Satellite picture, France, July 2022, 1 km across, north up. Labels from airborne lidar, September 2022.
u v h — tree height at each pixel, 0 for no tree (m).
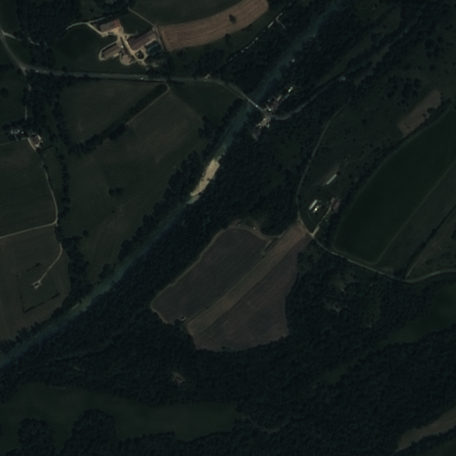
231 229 0
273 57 20
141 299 12
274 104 0
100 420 19
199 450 16
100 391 17
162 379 7
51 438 11
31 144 0
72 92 0
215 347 0
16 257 0
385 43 19
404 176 0
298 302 20
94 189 0
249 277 0
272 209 11
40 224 0
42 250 0
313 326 19
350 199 17
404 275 9
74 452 10
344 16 16
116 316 14
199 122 0
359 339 19
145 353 21
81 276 11
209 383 20
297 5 7
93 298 0
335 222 20
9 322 0
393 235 0
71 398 0
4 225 0
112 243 0
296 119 10
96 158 0
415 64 0
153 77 20
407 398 17
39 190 0
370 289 13
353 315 21
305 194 0
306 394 20
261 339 0
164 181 0
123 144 0
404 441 0
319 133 7
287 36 23
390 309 10
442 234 0
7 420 0
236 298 0
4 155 0
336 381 0
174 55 0
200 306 0
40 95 27
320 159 0
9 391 13
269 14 0
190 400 15
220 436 7
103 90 0
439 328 0
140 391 20
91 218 0
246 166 19
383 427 15
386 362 20
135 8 0
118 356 17
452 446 0
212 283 0
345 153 0
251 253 0
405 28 19
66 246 23
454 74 0
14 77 0
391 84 7
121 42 0
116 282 0
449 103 11
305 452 23
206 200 19
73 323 16
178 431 0
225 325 0
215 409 0
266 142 16
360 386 19
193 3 0
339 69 0
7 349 31
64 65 0
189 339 17
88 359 15
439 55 13
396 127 0
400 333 0
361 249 0
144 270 22
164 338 16
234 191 21
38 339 0
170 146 0
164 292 0
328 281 10
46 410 0
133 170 0
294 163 0
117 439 8
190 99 0
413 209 0
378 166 6
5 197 0
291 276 0
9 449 0
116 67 0
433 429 0
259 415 8
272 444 18
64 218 13
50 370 15
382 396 18
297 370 21
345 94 22
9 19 0
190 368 18
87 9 0
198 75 8
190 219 19
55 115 18
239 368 21
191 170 22
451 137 0
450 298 0
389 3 7
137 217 0
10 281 0
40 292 0
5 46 0
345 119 0
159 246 20
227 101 0
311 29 0
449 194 0
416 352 25
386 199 0
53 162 0
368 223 0
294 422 22
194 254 14
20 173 0
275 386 10
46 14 23
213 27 0
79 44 0
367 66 18
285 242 0
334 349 13
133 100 0
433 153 0
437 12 10
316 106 7
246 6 0
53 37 26
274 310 0
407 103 9
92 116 0
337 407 22
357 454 24
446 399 25
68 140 24
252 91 15
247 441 10
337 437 17
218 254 0
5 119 0
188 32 0
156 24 0
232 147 12
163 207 25
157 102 0
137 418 0
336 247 0
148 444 10
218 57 24
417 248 0
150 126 0
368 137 0
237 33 0
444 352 16
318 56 12
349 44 8
